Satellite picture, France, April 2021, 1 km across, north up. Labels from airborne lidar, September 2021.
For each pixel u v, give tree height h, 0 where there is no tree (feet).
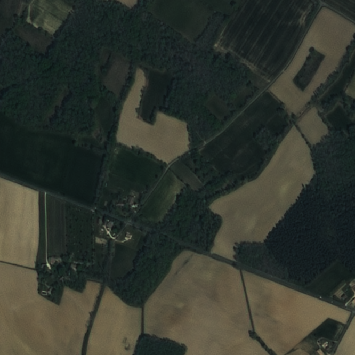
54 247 0
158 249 84
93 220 25
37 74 81
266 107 0
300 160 0
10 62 86
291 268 49
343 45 0
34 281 0
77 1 69
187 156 41
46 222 0
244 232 0
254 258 53
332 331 0
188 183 0
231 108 52
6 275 0
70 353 0
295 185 0
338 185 55
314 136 0
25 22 38
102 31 83
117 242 0
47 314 0
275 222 0
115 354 0
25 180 0
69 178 0
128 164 0
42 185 0
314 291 0
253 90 45
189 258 0
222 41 0
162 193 0
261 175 0
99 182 44
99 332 0
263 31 0
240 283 0
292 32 0
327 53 0
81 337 0
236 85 67
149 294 87
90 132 74
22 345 0
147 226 50
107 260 66
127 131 0
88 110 83
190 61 20
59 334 0
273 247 47
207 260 0
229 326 0
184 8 0
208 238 53
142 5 60
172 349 61
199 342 0
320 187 41
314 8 43
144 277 56
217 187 105
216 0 0
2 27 0
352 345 0
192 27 0
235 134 0
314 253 50
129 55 54
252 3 0
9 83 94
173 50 65
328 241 53
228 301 0
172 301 0
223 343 0
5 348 0
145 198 45
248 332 0
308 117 0
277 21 0
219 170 0
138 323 0
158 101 0
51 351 0
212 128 55
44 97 71
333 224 51
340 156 46
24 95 91
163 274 47
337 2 0
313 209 49
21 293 0
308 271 51
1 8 0
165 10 0
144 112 0
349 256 48
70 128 85
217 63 81
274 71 0
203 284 0
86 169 0
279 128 0
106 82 0
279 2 0
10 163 0
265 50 0
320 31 0
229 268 0
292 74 0
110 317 0
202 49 42
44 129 46
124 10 66
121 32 75
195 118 73
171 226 66
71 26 76
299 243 47
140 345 52
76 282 54
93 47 81
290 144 0
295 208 39
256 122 0
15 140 0
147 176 0
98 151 44
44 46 0
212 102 0
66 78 80
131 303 54
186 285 0
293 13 0
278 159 0
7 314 0
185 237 66
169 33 51
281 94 0
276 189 0
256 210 0
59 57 87
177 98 85
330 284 0
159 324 0
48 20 0
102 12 72
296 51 0
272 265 49
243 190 0
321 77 0
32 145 0
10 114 57
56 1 0
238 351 0
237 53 0
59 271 67
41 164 0
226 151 0
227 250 0
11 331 0
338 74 44
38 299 0
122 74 0
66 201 0
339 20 0
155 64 79
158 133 0
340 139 70
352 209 46
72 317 0
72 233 20
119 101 47
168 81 0
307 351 0
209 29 44
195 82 66
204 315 0
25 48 74
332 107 47
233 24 0
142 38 70
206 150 0
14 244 0
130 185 0
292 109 0
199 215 110
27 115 82
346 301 28
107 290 0
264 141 71
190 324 0
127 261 0
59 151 0
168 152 0
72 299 0
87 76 82
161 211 0
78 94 101
